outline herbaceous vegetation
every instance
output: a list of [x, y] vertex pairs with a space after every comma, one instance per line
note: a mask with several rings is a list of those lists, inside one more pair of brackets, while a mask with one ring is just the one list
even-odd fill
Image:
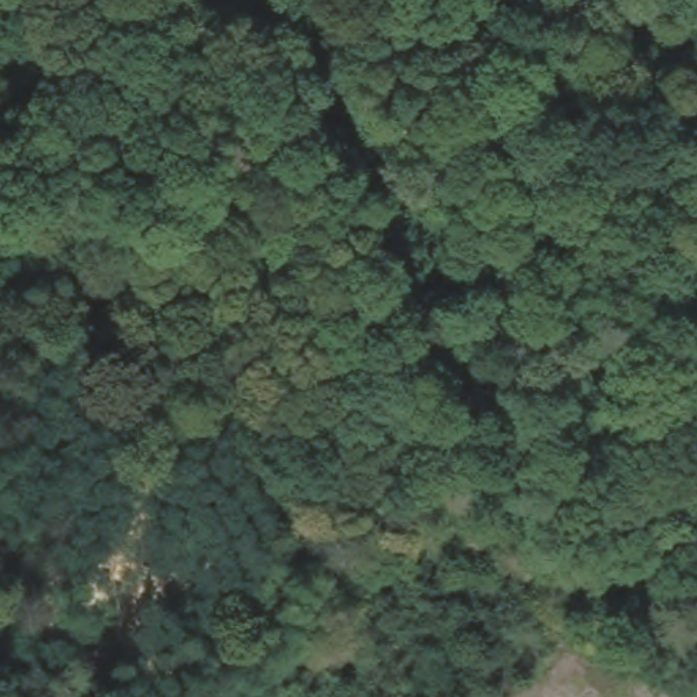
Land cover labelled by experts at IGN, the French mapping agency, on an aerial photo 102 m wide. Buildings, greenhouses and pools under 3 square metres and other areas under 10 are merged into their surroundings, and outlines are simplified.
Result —
[[645, 683], [618, 681], [615, 675], [602, 672], [599, 667], [572, 653], [553, 653], [536, 662], [531, 686], [515, 697], [662, 697]]

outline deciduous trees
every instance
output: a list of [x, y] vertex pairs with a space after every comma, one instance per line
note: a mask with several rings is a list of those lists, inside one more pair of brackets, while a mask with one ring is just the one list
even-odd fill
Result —
[[618, 681], [645, 683], [662, 697], [697, 697], [697, 0], [0, 0], [0, 697], [515, 697], [531, 686], [536, 662], [553, 653], [572, 653], [599, 667], [602, 672], [615, 675]]

